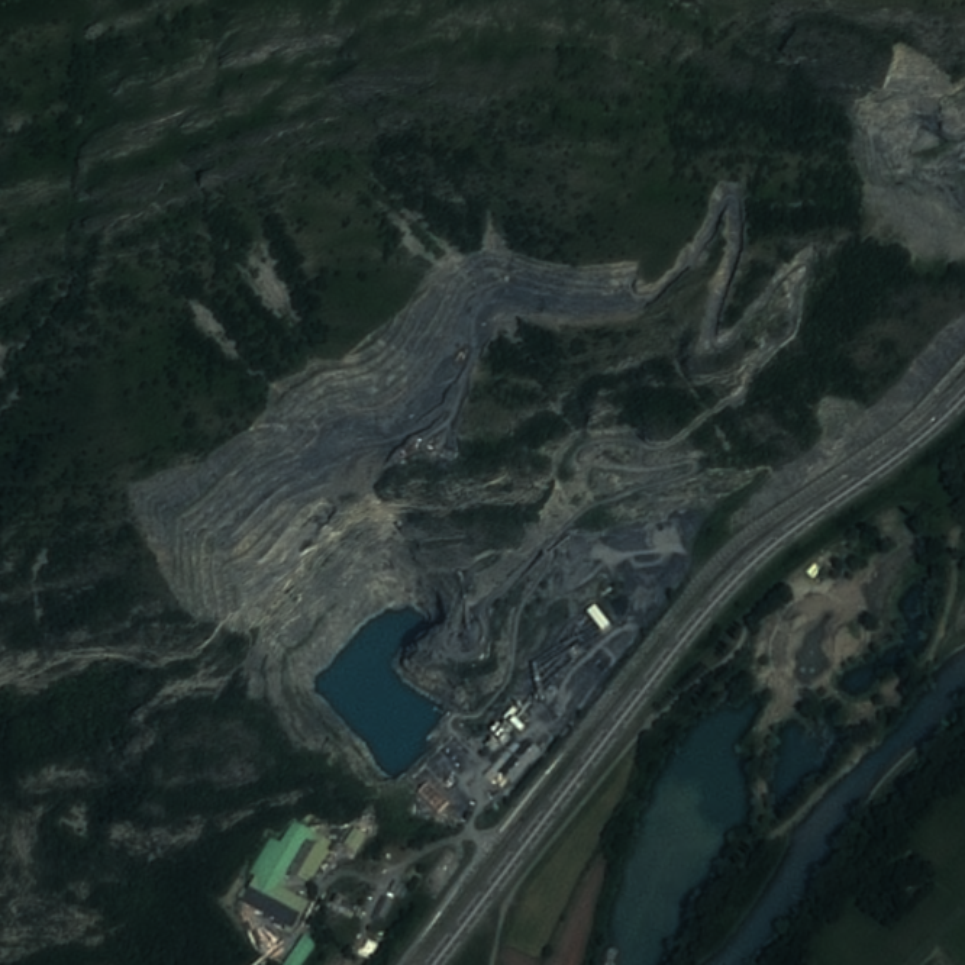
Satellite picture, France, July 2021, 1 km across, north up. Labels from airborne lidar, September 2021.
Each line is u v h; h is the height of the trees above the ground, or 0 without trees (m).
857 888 19
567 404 6
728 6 0
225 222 9
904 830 18
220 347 13
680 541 0
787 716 0
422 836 8
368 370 0
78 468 8
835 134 7
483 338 0
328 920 13
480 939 0
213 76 0
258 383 9
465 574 0
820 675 0
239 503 0
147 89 0
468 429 0
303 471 0
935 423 0
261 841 6
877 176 0
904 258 11
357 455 0
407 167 8
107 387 0
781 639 0
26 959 7
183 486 0
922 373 0
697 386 6
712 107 9
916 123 0
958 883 0
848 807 0
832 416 0
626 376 9
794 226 8
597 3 5
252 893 0
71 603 10
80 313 6
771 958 20
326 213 0
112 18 0
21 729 12
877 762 0
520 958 0
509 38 0
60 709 7
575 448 0
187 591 0
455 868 0
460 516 6
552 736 0
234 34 0
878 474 0
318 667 0
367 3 0
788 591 24
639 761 8
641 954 0
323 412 0
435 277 0
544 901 0
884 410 0
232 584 0
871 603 0
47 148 17
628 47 0
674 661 0
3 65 7
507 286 0
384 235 7
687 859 0
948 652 0
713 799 0
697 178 9
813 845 0
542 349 11
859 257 11
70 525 6
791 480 0
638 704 0
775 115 12
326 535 0
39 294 13
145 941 11
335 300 0
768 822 11
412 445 0
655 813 0
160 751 8
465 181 7
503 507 6
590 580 0
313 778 9
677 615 0
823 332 10
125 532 8
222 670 6
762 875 7
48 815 9
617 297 0
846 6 0
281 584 0
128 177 0
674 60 7
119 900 14
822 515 0
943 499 0
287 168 8
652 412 7
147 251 8
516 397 8
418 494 0
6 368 7
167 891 9
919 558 16
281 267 12
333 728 6
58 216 0
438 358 0
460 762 0
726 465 6
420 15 0
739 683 19
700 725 0
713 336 0
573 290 0
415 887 11
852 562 18
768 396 9
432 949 0
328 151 12
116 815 17
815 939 17
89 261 10
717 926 7
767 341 0
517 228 9
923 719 0
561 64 6
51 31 0
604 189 0
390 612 0
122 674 8
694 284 0
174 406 6
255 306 11
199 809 8
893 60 13
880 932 0
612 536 0
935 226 0
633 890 0
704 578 0
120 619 6
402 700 0
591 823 0
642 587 0
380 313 0
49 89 0
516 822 0
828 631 0
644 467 0
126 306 8
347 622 0
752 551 0
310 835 0
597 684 0
